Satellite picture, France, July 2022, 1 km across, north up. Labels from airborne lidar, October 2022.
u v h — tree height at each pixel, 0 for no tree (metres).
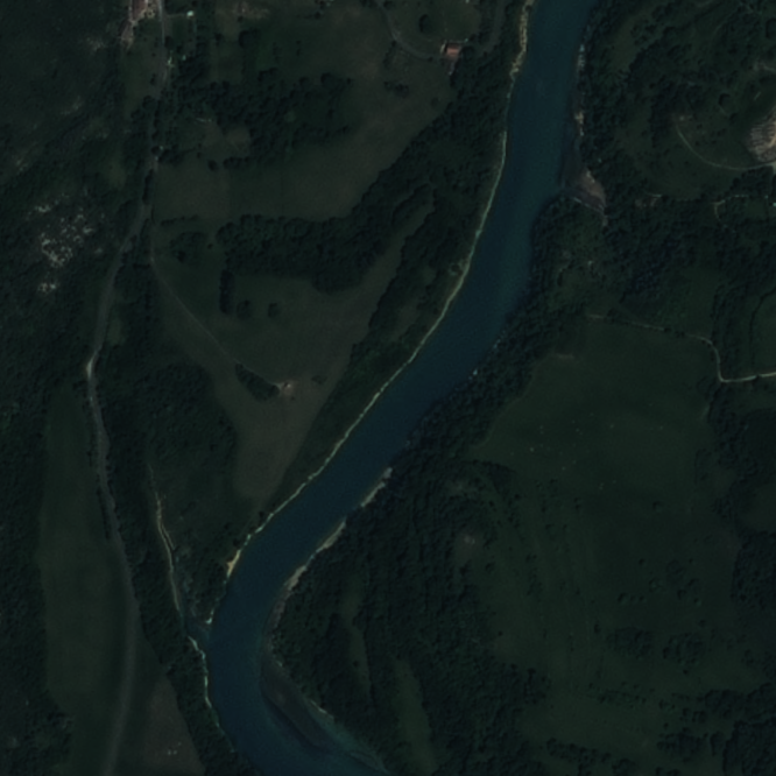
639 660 8
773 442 9
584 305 11
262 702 0
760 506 0
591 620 0
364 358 9
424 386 0
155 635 14
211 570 7
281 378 0
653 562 0
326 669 20
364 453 0
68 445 0
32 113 0
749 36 7
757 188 9
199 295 0
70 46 0
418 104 0
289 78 0
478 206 6
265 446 0
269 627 0
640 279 16
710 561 0
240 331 0
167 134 6
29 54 0
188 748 0
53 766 7
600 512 0
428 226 11
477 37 11
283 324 0
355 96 0
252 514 0
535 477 0
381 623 15
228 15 0
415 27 0
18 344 14
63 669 0
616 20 17
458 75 18
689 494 0
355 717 17
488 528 10
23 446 13
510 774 21
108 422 15
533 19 0
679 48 10
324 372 0
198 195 0
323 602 14
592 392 0
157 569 17
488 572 7
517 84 0
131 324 10
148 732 0
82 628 0
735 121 11
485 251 0
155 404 7
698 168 0
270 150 11
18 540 13
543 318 13
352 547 18
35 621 19
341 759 0
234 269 8
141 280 9
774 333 0
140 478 12
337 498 0
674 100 13
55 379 9
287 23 0
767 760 14
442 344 0
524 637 0
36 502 12
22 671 11
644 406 0
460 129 25
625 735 0
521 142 0
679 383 0
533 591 6
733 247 10
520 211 0
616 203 12
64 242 0
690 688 0
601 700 6
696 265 18
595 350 0
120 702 0
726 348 9
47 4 0
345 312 0
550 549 0
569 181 0
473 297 0
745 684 0
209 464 7
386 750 21
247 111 16
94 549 0
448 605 12
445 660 15
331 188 0
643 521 0
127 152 7
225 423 13
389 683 17
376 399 0
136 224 0
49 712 11
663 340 0
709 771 0
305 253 8
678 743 11
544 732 0
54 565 0
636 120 14
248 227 17
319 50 0
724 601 0
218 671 0
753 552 10
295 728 0
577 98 0
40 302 16
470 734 12
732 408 9
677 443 0
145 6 0
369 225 16
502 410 6
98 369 13
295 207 0
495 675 14
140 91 0
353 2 0
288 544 0
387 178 12
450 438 19
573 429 0
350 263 11
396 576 9
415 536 8
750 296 17
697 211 9
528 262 0
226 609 0
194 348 0
